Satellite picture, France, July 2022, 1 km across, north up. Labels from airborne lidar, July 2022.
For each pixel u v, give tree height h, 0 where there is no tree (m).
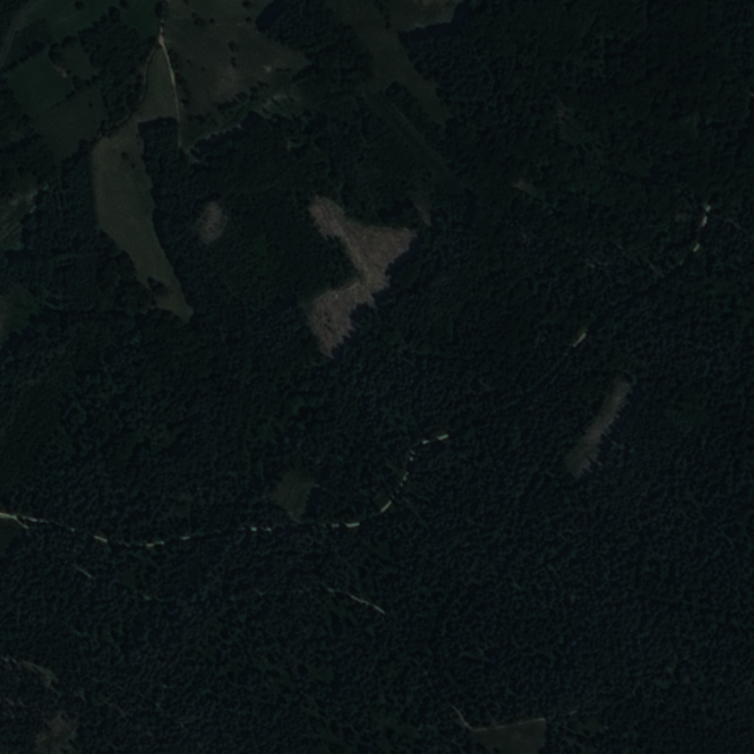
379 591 19
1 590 26
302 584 28
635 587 30
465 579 26
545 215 25
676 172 15
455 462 27
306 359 26
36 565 14
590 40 21
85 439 24
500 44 32
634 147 15
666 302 32
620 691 19
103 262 19
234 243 7
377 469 17
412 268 27
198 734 23
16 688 14
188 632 27
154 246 0
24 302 0
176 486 24
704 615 17
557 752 22
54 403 8
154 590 8
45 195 19
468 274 22
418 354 7
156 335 21
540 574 20
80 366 6
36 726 24
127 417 29
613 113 22
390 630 23
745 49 21
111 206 0
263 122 27
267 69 0
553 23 30
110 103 11
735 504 25
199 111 0
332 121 28
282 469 24
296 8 29
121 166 0
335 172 17
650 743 17
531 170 32
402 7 0
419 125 14
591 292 24
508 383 22
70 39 12
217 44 0
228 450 25
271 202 12
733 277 23
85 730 20
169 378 25
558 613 14
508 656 19
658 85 20
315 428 26
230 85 0
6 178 21
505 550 20
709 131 23
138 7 0
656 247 18
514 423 31
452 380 20
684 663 17
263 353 23
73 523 28
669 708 16
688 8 26
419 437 23
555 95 28
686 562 27
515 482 30
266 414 30
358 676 27
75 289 16
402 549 25
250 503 17
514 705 21
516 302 22
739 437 25
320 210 0
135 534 7
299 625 24
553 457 25
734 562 23
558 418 29
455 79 39
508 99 16
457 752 30
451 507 20
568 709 19
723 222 17
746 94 17
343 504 12
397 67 0
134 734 24
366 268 0
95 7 0
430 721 21
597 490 29
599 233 24
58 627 16
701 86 25
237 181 28
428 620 11
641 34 22
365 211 26
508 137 29
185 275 31
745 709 12
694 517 27
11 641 15
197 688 16
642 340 26
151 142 23
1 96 16
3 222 0
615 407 0
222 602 26
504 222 24
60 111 0
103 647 22
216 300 25
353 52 19
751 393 29
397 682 9
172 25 0
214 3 0
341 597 17
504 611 23
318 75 21
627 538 19
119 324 26
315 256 9
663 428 34
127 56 8
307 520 8
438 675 15
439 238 23
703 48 20
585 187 21
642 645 25
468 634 23
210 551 15
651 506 23
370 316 23
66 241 21
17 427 7
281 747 18
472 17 38
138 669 29
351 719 26
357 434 26
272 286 6
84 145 16
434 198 6
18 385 18
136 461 29
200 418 34
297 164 30
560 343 23
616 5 20
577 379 22
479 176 33
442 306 28
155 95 0
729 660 26
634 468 27
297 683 21
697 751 16
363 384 20
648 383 18
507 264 25
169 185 21
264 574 27
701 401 22
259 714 8
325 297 0
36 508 21
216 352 25
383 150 7
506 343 24
